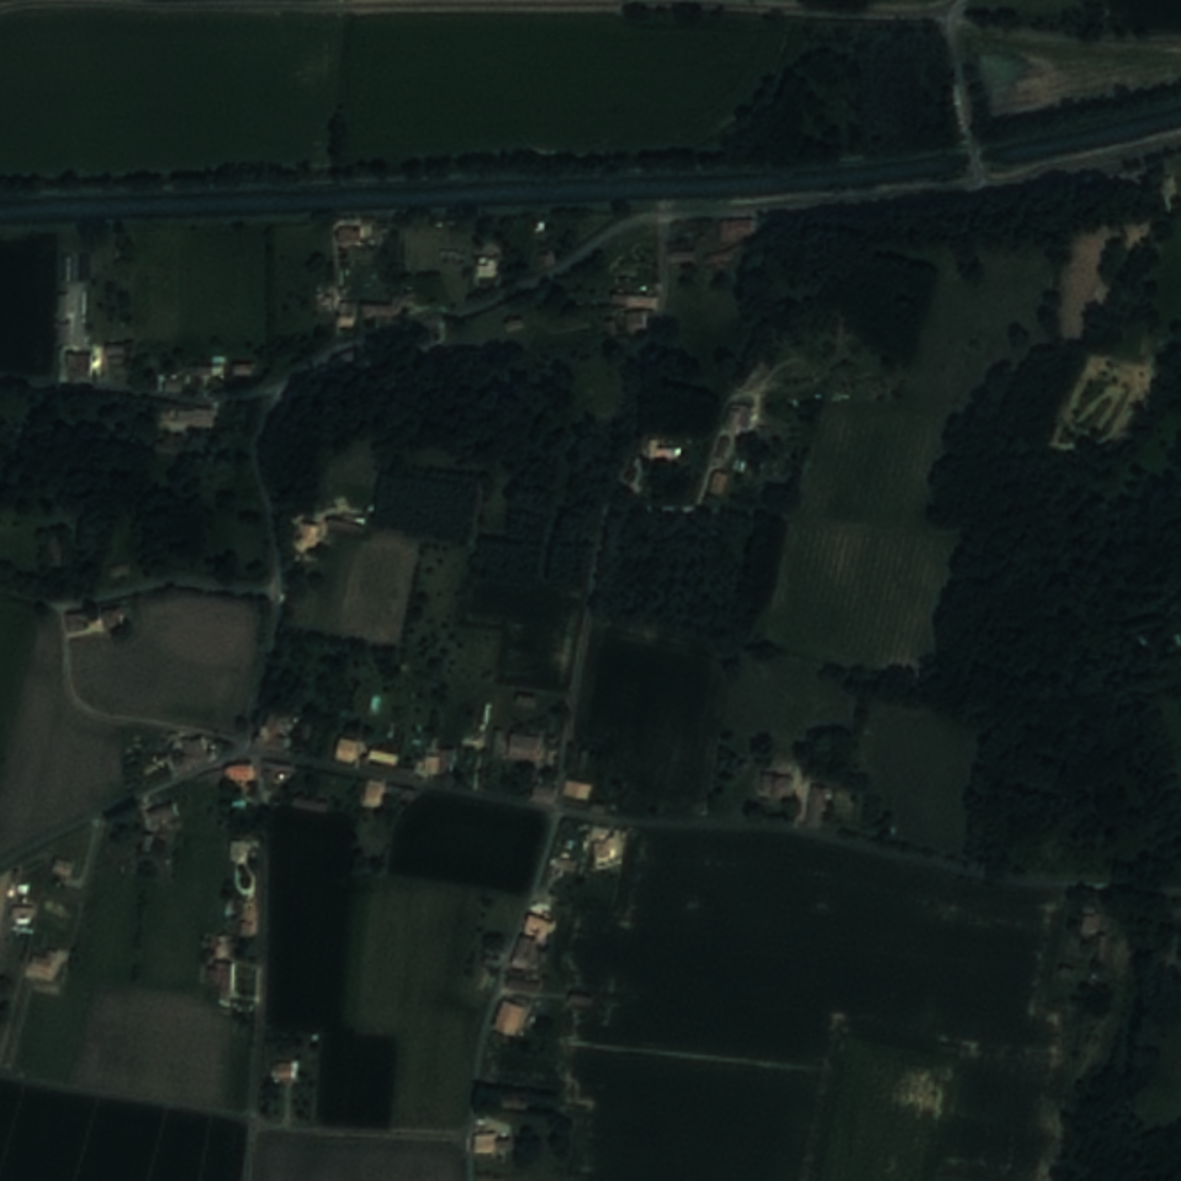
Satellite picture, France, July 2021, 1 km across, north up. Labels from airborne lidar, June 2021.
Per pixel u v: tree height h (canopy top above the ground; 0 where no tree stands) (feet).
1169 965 0
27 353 0
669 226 0
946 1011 0
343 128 40
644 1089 0
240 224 27
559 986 0
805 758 60
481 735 0
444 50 0
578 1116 0
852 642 0
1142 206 35
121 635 51
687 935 0
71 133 0
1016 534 44
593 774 0
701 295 0
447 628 22
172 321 0
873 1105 0
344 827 0
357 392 74
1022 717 64
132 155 0
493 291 23
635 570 36
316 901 0
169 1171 0
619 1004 0
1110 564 36
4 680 0
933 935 0
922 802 0
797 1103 0
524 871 0
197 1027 0
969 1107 0
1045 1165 0
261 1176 0
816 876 0
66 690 0
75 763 0
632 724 0
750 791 0
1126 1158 66
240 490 28
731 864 0
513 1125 0
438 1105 0
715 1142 0
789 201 0
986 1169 0
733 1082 0
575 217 25
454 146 0
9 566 45
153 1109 0
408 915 0
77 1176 0
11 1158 0
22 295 0
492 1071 0
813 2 48
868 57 94
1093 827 82
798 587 0
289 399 39
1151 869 70
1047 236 39
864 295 48
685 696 0
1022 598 57
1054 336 33
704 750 0
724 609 45
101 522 54
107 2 0
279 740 0
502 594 0
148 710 0
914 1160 0
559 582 47
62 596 40
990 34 0
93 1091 0
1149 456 0
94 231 76
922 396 0
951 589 28
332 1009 0
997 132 47
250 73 0
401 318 35
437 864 0
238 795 35
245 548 0
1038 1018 0
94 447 75
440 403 53
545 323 0
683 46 0
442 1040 0
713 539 63
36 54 0
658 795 0
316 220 30
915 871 0
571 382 67
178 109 0
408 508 35
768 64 0
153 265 0
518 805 0
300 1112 25
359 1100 0
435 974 0
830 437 0
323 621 0
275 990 0
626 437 75
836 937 0
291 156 0
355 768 0
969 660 62
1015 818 72
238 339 0
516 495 63
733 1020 0
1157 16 0
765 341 38
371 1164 0
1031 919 0
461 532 35
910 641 0
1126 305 78
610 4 0
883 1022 0
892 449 0
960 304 0
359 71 0
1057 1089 0
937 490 45
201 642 0
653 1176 0
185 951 0
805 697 0
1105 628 32
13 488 59
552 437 39
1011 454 53
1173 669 64
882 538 0
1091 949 31
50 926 0
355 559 0
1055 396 52
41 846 0
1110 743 87
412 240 0
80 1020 0
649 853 0
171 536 54
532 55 0
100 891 0
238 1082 0
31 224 0
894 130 99
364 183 0
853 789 26
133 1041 0
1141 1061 68
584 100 0
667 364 78
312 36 0
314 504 26
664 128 0
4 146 0
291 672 27
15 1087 0
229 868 0
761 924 0
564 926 0
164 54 0
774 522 48
